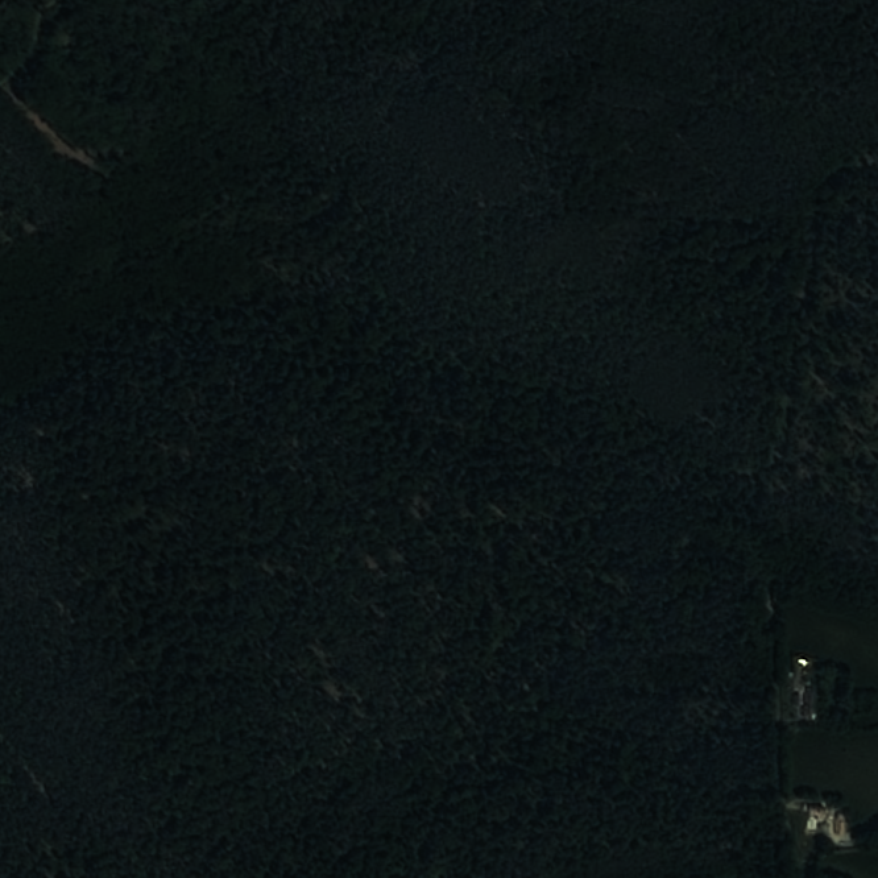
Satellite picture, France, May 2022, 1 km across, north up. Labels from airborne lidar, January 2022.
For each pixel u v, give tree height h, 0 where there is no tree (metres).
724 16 22
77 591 24
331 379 12
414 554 27
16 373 10
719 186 25
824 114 13
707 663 28
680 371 17
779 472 18
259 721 25
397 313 24
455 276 20
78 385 27
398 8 18
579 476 31
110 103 26
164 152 9
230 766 25
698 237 28
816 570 19
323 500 27
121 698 26
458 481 25
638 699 28
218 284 9
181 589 24
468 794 16
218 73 21
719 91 19
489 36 24
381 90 16
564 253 17
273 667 29
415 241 19
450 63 20
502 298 13
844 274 23
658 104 20
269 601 27
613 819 26
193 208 10
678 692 22
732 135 24
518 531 34
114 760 26
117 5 22
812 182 18
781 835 20
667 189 23
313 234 24
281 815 25
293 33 30
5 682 25
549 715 25
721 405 8
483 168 20
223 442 23
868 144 18
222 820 25
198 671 29
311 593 23
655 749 28
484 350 22
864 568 21
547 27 29
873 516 21
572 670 29
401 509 30
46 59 24
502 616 33
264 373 29
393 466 24
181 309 24
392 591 24
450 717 19
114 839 23
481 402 31
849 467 27
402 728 21
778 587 17
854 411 33
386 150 21
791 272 26
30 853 24
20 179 23
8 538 22
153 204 10
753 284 28
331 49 21
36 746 23
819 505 23
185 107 20
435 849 26
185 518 24
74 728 22
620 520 31
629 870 17
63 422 25
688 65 19
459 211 21
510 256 15
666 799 26
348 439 32
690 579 21
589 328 20
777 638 14
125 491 30
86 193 29
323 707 29
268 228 9
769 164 28
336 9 23
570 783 27
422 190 17
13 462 19
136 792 24
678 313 23
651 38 17
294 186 30
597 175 20
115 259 10
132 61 25
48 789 20
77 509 23
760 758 24
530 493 34
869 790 0
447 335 23
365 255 26
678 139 20
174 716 28
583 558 31
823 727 9
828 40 23
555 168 23
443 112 18
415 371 30
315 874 19
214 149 12
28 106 31
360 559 27
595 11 23
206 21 16
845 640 0
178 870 25
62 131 32
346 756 23
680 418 19
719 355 23
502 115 21
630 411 22
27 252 9
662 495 32
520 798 31
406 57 20
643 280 16
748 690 7
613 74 22
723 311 29
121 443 27
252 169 17
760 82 25
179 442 25
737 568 27
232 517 22
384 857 26
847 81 18
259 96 25
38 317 11
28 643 26
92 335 12
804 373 27
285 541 30
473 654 28
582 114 22
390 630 23
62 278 12
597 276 20
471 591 28
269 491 30
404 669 24
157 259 8
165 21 22
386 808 28
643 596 31
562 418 28
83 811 25
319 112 25
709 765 32
